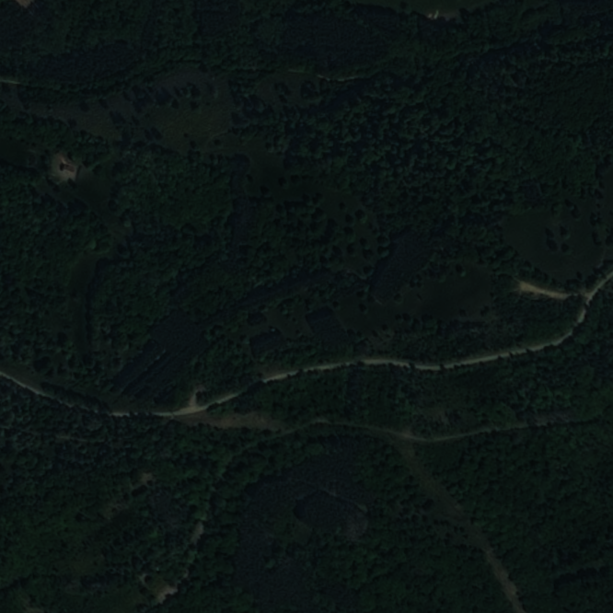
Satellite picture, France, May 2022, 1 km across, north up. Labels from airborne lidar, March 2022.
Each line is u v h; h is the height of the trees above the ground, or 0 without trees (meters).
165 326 23
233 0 31
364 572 15
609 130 13
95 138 9
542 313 12
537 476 22
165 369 18
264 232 22
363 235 0
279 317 0
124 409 0
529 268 14
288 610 22
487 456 20
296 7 20
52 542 33
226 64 22
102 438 9
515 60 35
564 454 24
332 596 27
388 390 7
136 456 10
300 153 21
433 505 15
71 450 17
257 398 26
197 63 11
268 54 30
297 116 12
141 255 22
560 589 29
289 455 26
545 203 12
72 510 25
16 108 0
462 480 11
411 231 20
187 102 0
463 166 39
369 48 33
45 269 20
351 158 27
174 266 21
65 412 17
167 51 24
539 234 0
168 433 12
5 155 0
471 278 0
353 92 16
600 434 29
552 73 17
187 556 17
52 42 23
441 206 19
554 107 19
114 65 30
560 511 22
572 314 12
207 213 20
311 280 27
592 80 16
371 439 13
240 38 22
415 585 26
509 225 0
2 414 9
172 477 20
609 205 0
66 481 20
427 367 0
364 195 22
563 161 22
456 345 13
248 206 27
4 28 30
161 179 17
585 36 26
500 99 38
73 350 7
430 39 27
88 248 16
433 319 10
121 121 23
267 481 31
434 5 0
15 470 10
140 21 23
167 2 23
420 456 11
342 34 34
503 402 19
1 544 21
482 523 15
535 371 19
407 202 18
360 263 0
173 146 0
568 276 0
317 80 0
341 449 29
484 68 34
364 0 0
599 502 19
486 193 14
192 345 17
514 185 29
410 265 22
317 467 31
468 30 16
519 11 22
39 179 14
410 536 9
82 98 8
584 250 0
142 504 9
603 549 21
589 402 30
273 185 0
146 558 14
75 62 31
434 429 16
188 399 0
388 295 18
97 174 14
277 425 7
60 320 0
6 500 11
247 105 28
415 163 12
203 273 29
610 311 23
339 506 28
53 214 12
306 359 6
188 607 19
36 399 15
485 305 0
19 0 0
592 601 27
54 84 20
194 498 26
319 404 8
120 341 19
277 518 15
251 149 0
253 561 33
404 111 35
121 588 19
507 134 27
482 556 15
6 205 11
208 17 31
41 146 0
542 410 32
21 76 22
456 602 16
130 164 16
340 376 7
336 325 16
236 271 22
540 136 26
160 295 22
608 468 7
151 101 26
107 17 21
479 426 10
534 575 18
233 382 20
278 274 18
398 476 15
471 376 14
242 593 23
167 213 23
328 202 0
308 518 31
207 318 19
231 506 22
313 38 32
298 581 30
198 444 23
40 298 19
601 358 37
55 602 8
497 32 22
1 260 18
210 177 16
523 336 14
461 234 21
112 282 19
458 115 20
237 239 26
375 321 0
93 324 16
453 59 18
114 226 0
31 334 20
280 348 8
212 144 0
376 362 0
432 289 0
